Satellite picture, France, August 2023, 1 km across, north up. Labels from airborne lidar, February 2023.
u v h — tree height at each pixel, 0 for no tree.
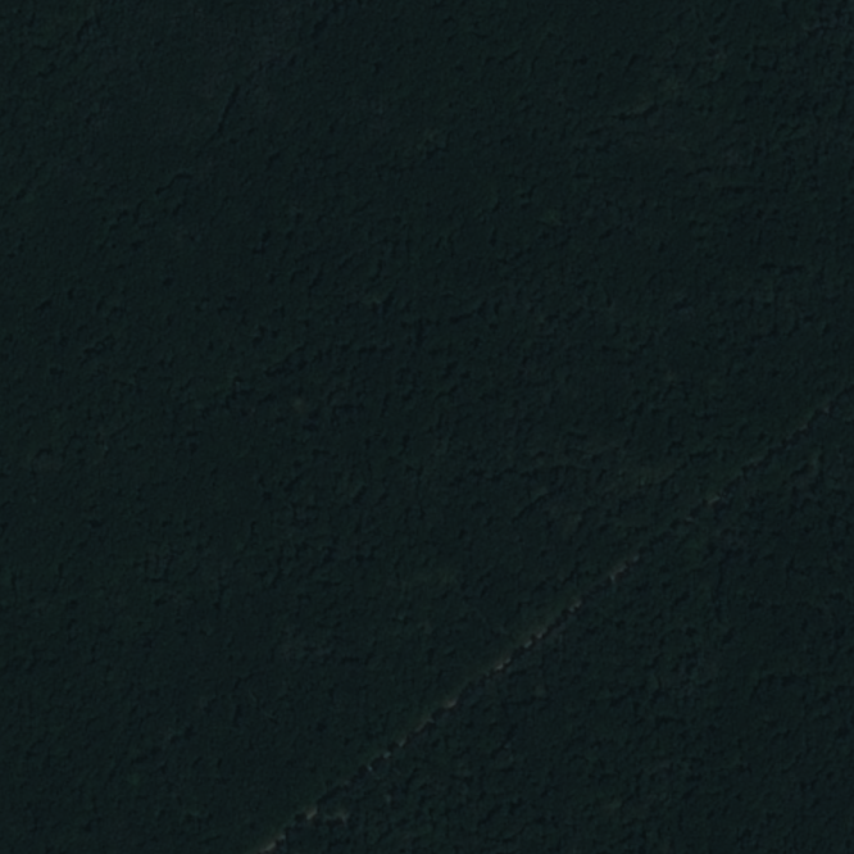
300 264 24
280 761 27
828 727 21
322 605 20
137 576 22
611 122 20
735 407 21
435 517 22
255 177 22
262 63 21
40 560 25
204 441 23
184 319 24
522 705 6
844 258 20
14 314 25
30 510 27
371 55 24
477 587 17
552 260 19
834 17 20
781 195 23
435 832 21
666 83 19
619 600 22
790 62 20
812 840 25
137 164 24
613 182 20
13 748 18
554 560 20
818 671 22
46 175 23
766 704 19
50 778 18
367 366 22
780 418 22
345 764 25
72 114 22
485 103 21
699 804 22
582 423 20
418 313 26
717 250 18
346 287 21
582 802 25
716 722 24
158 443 25
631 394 22
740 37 24
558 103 16
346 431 24
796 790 21
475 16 22
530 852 20
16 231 26
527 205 9
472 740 23
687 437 23
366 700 23
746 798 24
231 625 26
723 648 19
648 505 23
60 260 25
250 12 22
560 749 20
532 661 18
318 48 19
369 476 20
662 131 21
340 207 21
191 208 22
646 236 16
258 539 24
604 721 25
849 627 23
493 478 6
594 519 25
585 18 23
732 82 21
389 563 21
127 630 27
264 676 23
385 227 25
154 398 23
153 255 24
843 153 25
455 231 23
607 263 22
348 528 24
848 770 22
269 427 24
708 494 19
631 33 23
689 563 18
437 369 26
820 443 21
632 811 13
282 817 24
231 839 23
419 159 15
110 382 21
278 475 21
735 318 16
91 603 25
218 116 22
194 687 25
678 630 22
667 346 20
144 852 19
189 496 25
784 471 20
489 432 23
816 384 22
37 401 25
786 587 23
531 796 22
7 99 21
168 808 19
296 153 24
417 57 25
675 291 21
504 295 23
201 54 24
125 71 23
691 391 22
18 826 19
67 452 17
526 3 20
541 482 22
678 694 21
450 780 10
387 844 22
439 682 14
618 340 23
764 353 22
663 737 21
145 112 24
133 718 20
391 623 21
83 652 23
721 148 20
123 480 22
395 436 25
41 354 25
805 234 25
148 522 27
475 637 20
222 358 18
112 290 23
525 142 23
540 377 13
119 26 21
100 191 23
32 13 23
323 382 22
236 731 27
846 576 19
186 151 24
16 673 20
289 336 25
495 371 19
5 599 24
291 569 21
